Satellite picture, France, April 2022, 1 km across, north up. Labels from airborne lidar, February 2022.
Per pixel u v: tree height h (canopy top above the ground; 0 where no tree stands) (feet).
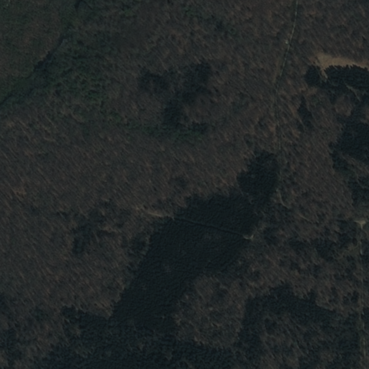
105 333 85
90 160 105
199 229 76
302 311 66
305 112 91
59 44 39
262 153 45
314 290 73
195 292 27
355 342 56
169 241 73
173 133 75
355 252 0
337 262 49
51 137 100
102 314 90
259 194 56
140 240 31
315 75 94
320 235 75
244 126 79
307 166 0
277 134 0
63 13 66
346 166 72
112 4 83
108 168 90
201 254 71
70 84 78
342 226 63
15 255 100
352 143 85
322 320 72
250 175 69
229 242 59
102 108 83
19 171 97
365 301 86
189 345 79
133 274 100
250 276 21
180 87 95
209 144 0
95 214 19
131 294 68
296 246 76
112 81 95
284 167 77
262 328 75
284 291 85
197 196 45
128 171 95
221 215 66
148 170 0
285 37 93
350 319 42
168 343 110
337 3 98
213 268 65
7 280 86
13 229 101
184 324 40
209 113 64
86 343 72
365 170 0
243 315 90
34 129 89
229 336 88
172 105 71
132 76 95
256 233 78
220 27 59
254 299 87
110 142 93
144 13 63
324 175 0
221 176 91
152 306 58
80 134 93
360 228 0
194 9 84
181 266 76
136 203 0
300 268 44
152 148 0
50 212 100
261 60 92
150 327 40
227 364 97
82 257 105
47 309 102
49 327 0
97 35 20
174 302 65
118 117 72
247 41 88
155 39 80
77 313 101
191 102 50
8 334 64
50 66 112
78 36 83
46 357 88
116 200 0
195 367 102
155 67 90
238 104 82
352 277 63
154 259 77
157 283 76
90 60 88
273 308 70
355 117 80
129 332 110
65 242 105
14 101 87
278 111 94
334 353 36
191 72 76
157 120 77
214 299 22
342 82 84
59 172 0
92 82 87
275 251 0
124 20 76
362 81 45
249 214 71
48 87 75
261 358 81
